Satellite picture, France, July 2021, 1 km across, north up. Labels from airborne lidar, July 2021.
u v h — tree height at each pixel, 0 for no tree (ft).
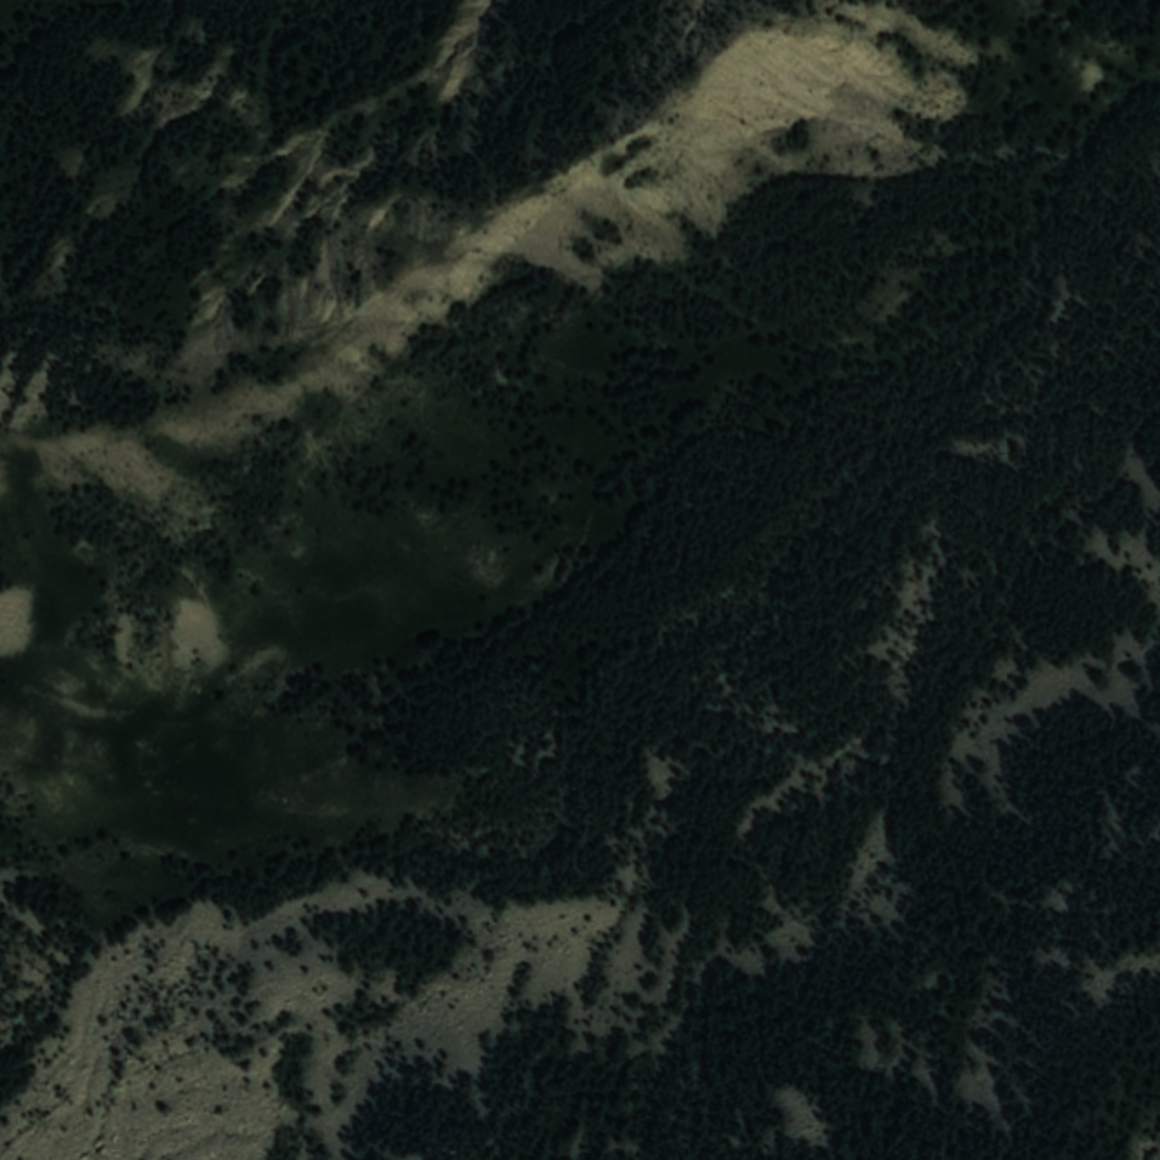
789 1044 56
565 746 64
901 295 0
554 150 27
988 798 52
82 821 0
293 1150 23
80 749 0
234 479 29
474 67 0
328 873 48
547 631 52
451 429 0
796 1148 39
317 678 27
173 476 0
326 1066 0
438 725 41
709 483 68
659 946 24
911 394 48
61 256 0
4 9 0
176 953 0
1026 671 41
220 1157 0
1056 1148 47
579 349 0
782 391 71
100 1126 0
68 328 40
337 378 0
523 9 55
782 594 66
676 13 27
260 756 0
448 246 0
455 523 0
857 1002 47
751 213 24
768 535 29
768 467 66
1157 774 54
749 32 0
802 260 36
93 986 0
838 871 55
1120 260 78
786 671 76
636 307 29
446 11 54
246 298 50
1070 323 79
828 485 58
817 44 0
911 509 61
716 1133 36
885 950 25
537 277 59
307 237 40
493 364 21
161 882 0
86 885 0
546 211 0
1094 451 69
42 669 0
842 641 55
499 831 51
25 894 73
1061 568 80
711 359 49
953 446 35
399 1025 0
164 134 60
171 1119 0
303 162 0
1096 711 45
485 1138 44
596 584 53
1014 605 69
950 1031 49
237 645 0
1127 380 68
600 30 60
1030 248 76
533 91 53
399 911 50
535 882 34
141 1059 23
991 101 0
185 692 0
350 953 29
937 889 46
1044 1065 46
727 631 31
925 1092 51
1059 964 33
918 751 80
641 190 0
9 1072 47
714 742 52
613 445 0
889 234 61
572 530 0
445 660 59
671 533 62
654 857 52
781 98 0
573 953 0
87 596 0
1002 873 41
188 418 0
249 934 0
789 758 30
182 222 40
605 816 52
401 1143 48
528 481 45
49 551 0
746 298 53
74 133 26
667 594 56
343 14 50
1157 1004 26
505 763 23
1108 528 48
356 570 0
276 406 0
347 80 48
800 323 38
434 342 34
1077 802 31
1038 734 50
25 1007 31
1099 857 51
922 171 45
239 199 30
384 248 28
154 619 22
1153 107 75
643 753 64
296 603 0
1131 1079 39
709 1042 42
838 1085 44
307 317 0
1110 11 75
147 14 61
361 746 42
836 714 83
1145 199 69
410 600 0
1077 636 90
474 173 22
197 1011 27
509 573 0
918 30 0
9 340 45
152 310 0
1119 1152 37
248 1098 0
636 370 60
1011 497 66
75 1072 0
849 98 0
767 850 66
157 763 0
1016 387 62
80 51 59
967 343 59
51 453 0
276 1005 0
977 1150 39
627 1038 65
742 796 72
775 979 52
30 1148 0
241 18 64
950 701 75
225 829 0
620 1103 46
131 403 52
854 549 83
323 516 0
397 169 45
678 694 47
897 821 69
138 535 38
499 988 0
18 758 0
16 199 29
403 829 37
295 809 0
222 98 28
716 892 80
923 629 62
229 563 45
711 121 0
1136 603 68
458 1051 0
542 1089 46
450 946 53
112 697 0
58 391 39
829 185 60
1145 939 53
